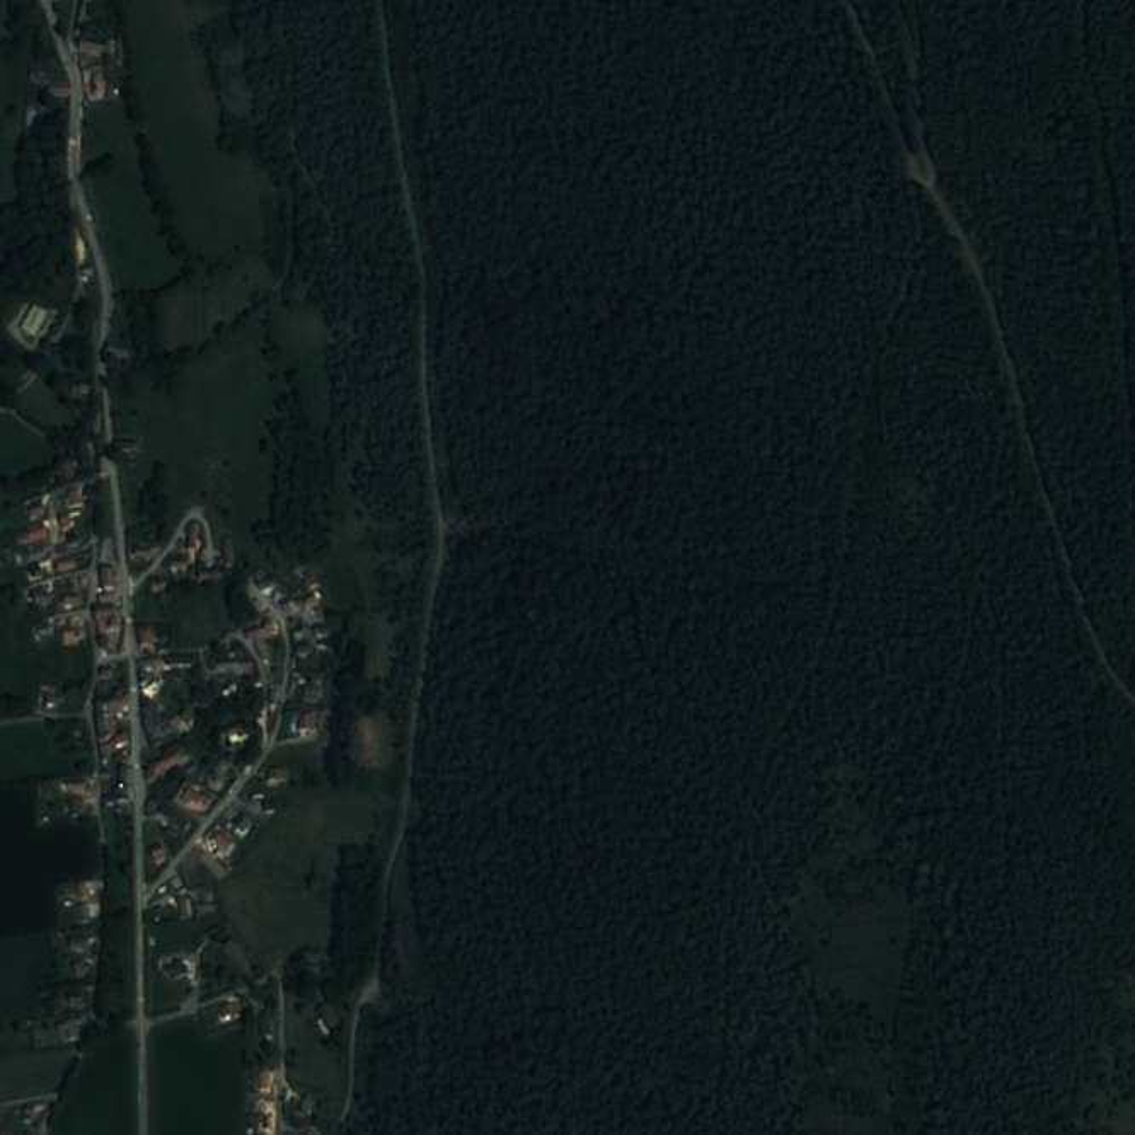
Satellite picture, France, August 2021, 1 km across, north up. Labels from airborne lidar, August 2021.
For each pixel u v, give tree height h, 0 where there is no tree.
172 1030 0
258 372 0
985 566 13
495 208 22
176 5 0
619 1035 14
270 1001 8
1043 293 19
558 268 23
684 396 21
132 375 9
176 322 0
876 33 18
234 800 0
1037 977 19
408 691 8
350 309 12
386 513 7
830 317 21
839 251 22
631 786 22
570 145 21
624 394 23
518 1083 13
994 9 19
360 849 12
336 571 0
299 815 0
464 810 16
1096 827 12
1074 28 18
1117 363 10
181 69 0
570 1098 14
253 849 0
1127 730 11
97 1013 10
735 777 19
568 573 14
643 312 19
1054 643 22
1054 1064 13
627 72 21
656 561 19
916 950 11
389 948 6
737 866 15
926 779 9
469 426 12
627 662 22
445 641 9
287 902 0
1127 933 12
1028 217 13
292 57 9
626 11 20
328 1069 0
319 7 11
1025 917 16
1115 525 13
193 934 0
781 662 20
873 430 11
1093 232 23
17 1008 0
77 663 0
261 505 0
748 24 25
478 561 21
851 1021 7
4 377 0
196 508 0
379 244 10
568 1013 16
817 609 22
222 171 0
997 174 11
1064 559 8
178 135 0
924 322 16
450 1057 7
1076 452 19
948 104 11
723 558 17
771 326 17
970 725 15
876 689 16
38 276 22
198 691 13
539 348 18
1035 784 22
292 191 5
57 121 12
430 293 7
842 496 25
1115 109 12
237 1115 0
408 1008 6
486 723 12
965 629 18
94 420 6
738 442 17
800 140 21
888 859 10
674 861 15
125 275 0
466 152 17
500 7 9
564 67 16
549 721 20
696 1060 21
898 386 8
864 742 11
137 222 0
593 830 22
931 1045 10
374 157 11
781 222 20
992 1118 15
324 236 12
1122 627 14
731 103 20
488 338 22
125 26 13
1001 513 20
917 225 24
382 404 9
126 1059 0
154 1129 0
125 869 14
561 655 23
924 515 9
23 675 0
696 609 19
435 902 10
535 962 14
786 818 15
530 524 12
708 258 20
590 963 17
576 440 21
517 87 17
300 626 0
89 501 6
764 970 16
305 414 8
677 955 19
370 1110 9
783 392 17
